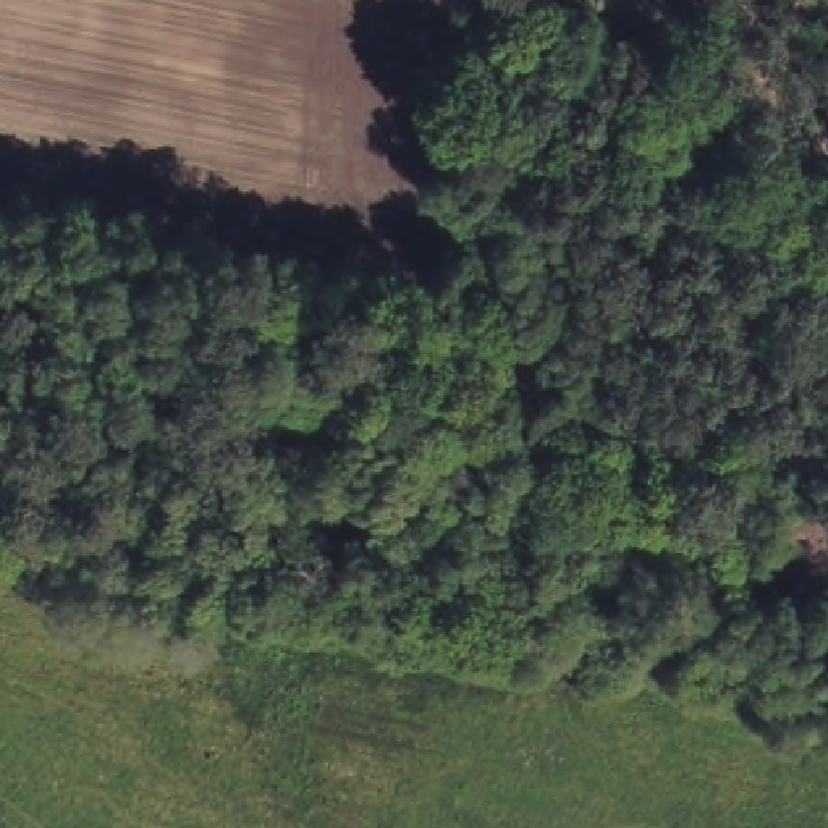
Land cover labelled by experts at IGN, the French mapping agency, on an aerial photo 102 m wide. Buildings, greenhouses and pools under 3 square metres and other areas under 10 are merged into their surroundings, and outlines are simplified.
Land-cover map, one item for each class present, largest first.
<instances>
[{"label":"coniferous trees","instance_id":"1","mask_svg":"<svg viewBox=\"0 0 828 828\"><path fill-rule=\"evenodd\" d=\"M563 10L566 32H576L582 26L605 29L602 74L579 100H572L566 120V133L592 146L595 152L582 168H572L569 175H524L514 188L501 194V207L511 210L524 226H556L560 220L572 223L563 262L543 268L547 294L563 311L560 336L534 362L514 365L511 388L518 391L521 404L524 450L495 456L479 466H459L437 488H430L417 514L408 518V524L398 534H369L343 521H314L304 527L285 524V485L314 495L320 492V482L330 475L340 456L346 450H359L362 440H356L349 430L362 427L375 398L388 395L398 382L411 375L420 336H433L443 330L463 333L475 327L488 307L501 311L505 317L518 314L521 304L514 301V291H505V281L511 278V236L479 233L459 239L463 265L443 288V294H430L417 285L408 288L398 275H382L378 265H362L353 275H327L320 265L307 259L278 262L268 256L252 259L230 252L217 239L201 233H181L171 243V252H152V230L142 213L94 220L81 210L71 217L49 213L26 223L23 230L0 217V585H13L16 595L32 605L49 602L78 618L123 624L133 631L142 621H165L168 631L181 640L178 653L184 660H197L204 650L220 647L230 631L223 611L246 615L249 608H262L285 585L304 589V608H320L343 589V582H356L375 572V595L401 585L411 595L385 611V631L401 634L414 615V605L427 598V605L433 608L430 624L440 634L466 627V621H472L475 627L501 634V640H527V650L514 663L511 676L524 682L527 676H537V670H550L556 679H566L572 689H582L589 695L582 702L585 708L624 705L644 692L647 679L660 682L666 692L676 686L679 692L721 689V695L737 705L734 712L741 725L760 734L770 747H779L783 737L802 731H818V741L828 747V291H812L805 275L792 272L789 259H770V252L760 246L734 249L728 243L712 239L708 233H689L682 226L689 210L702 201H734V194L754 197L757 175H750V168L760 155L767 162H779L786 146L802 155V175H828V0H450L453 26L430 32L408 65L404 104L408 123L417 126L443 104V94L463 71L466 58H479L505 45L511 26L530 23L537 10ZM682 78L731 104L737 116L715 129L708 142L692 146L689 171L666 181L663 197L657 204L624 207L627 181L621 175L637 171L644 162L640 133L647 97H663L666 84ZM747 475H773L779 482H792L802 508V518L789 524V530H796L799 540V556L763 582L721 585L712 556L686 560L679 553L608 547H589L576 553L530 550L537 537L563 530L566 518L576 508L582 511L585 505L602 501L624 505L627 498L657 505L663 495H676L673 514L666 518V534L676 537L689 521L702 514L705 505L725 508Z\"/></svg>","mask_w":828,"mask_h":828},{"label":"agricultural land","instance_id":"2","mask_svg":"<svg viewBox=\"0 0 828 828\"><path fill-rule=\"evenodd\" d=\"M453 26L450 0H0V217L23 230L26 223L49 213L71 217L81 210L94 220L142 213L152 230V252H171V243L181 233H201L217 239L230 252L252 259L268 256L278 262L307 259L320 265L327 275H353L362 265H378L382 275H398L408 288L417 285L430 294H443V288L463 265L459 239L437 220L420 213L430 194L456 188V171L437 168L430 162L427 149L420 146L417 126L408 123L404 104L408 65L430 32ZM181 640L168 631L165 621H142L133 631L123 624L78 618L49 602L32 605L16 595L13 585H0V828H828V747L818 741V731H802L783 737L779 747H770L760 734L741 725L734 712L737 705L721 695V689L679 692L676 686L666 692L660 682L647 679L644 692L624 705L585 708L582 702L589 695L582 689H572L566 679H556L550 670H537V676H527L524 682L511 676L505 689L453 682L437 673L391 679L388 673H375V666L362 657L301 653L298 647H285L281 660H265L259 637L230 631L220 647L204 650L197 660H184L178 653Z\"/></svg>","mask_w":828,"mask_h":828},{"label":"deciduous trees","instance_id":"3","mask_svg":"<svg viewBox=\"0 0 828 828\"><path fill-rule=\"evenodd\" d=\"M563 10H537L530 23L511 26L505 45L479 58H466L463 71L443 94V104L417 126L420 146L427 149L430 162L437 168L456 171V188L430 194L420 213L437 220L459 239L479 233L511 236V278L505 281V291H514V301L521 304L518 314L505 317L501 311L488 307L475 327L463 333L443 330L433 336H420L411 375L398 382L388 395L375 398L362 427L349 430L356 440H362L359 450H346L340 456L330 475L320 482V492L314 495L285 485V524L304 527L314 521H343L369 534H398L408 524V518L417 514L430 488H437L459 466H479L495 456L524 450L521 404L518 391L511 388L514 365L534 362L560 336L563 311L547 294L543 268L563 262L572 223L560 220L556 226H524L511 210L501 207V194L514 188L524 175H569L572 168H582L595 152L592 146L566 133V120L572 100H579L602 74L605 29L582 26L576 32H566ZM737 116L731 104L682 78L666 84L663 97H647L640 133L644 162L637 171L621 175L627 181L624 207L657 204L663 197L666 181L689 171L692 146L708 142L715 129ZM750 175H757L754 197L734 194V201H702L689 210L682 226L689 233H708L712 239L728 243L734 249L760 246L770 252V259H789L792 272L805 275L812 291H828V175H802V155L786 146L779 162H767L760 155L750 168ZM676 495H663L657 505L627 498L624 505L602 501L585 505L582 511L576 508L566 518L563 530L537 537L530 550L576 553L589 547H608L679 553L686 560L712 556L721 585L763 582L799 556V540L796 530H789V524L802 518V508L792 482H779L773 475H747L725 508L705 505L702 514L689 521L676 537L666 534V518L673 514ZM375 572L356 582H343V589L320 608H304V589L285 585L262 608H249L246 615L223 611L230 631L259 637L265 660H281L285 647H298L301 653L362 657L375 666V673H388L391 679L437 673L453 682L505 689L511 676L514 663L527 650V640H501V634L475 627L472 621H466V627L440 634L430 624L433 608L427 605V598L414 605V615L401 634L385 631V611L411 595L401 585L375 595Z\"/></svg>","mask_w":828,"mask_h":828}]
</instances>
